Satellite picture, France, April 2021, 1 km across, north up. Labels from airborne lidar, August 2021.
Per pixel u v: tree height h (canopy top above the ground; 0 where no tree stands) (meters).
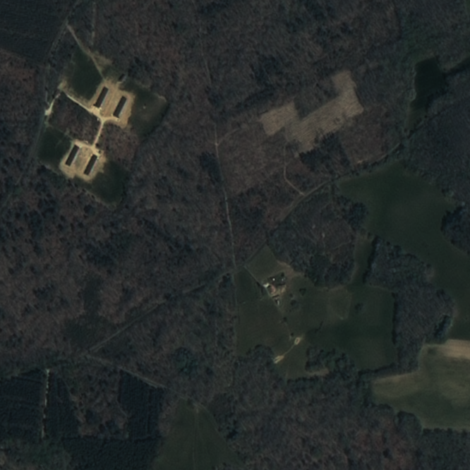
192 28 13
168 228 17
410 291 20
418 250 0
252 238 7
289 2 14
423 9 24
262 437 14
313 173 20
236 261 8
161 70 11
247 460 8
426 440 24
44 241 11
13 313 16
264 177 13
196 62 12
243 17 12
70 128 6
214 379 7
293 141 0
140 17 11
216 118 9
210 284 21
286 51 13
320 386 28
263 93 10
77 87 0
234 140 11
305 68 10
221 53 8
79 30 10
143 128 0
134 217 9
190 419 0
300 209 7
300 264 25
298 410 18
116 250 6
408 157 21
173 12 9
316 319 0
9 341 8
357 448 7
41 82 16
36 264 12
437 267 0
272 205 7
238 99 15
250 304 0
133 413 13
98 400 16
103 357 8
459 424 0
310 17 16
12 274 18
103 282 9
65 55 12
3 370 10
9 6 9
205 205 15
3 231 13
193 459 0
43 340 11
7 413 16
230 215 6
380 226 0
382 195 0
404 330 24
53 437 16
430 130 14
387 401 0
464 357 0
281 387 24
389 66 19
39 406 11
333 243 9
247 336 0
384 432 21
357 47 7
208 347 16
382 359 0
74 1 10
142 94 0
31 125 9
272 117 0
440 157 14
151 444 21
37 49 7
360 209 17
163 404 10
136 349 10
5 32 8
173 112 13
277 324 0
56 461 22
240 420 19
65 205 6
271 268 0
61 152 0
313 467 11
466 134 20
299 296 0
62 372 12
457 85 21
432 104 20
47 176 22
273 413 13
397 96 21
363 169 13
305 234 8
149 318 7
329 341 0
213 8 8
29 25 7
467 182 18
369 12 7
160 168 15
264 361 21
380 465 18
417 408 0
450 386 0
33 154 0
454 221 26
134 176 15
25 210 10
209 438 0
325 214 6
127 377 14
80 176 0
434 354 0
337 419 17
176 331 22
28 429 11
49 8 8
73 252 15
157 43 10
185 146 14
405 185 0
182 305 12
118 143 5
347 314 0
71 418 17
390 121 22
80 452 21
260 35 9
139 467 21
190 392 12
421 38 29
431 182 13
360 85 19
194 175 17
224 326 12
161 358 11
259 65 11
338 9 9
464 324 0
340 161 19
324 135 21
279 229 8
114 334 14
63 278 12
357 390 20
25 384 16
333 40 13
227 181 9
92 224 10
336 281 19
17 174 12
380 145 0
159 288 8
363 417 13
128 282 13
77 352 9
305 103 0
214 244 13
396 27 11
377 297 0
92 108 0
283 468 15
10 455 19
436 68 0
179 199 16
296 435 10
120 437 26
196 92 9
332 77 17
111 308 13
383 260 21
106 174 0
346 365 27
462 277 0
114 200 0
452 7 16
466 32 18
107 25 15
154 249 8
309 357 17
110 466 19
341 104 0
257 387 20
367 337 0
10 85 7
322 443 18
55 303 12
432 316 24
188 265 6
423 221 0
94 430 7
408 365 20
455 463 17
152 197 16
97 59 0
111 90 0
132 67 8
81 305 14
